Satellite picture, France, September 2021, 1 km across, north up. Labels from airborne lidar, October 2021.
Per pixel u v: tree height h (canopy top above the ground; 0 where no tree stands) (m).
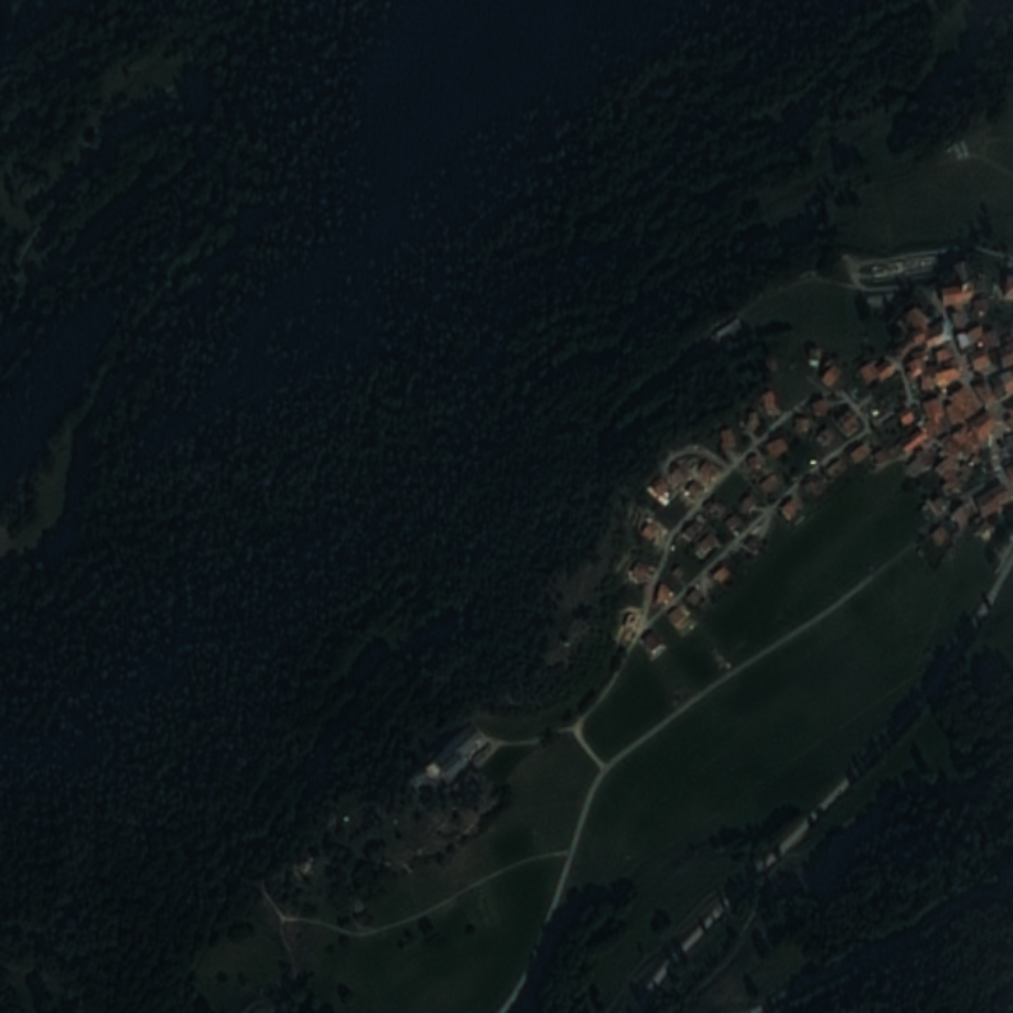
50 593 24
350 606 26
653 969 0
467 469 18
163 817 30
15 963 24
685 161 16
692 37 23
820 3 15
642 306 20
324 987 0
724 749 0
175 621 18
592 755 0
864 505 0
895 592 0
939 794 0
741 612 0
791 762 0
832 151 0
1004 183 0
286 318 27
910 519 0
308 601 29
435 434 11
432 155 19
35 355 18
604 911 19
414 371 28
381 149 30
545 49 15
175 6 23
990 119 12
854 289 0
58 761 25
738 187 24
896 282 0
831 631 0
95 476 28
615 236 18
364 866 8
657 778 0
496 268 23
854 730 0
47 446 14
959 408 0
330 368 27
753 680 0
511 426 21
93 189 16
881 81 14
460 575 23
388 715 19
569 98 22
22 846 30
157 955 21
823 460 0
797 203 0
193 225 27
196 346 34
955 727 23
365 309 26
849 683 0
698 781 0
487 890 0
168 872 23
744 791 0
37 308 13
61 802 27
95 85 30
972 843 31
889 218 0
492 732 0
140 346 19
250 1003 0
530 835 0
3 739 19
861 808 0
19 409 20
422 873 0
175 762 28
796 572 0
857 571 0
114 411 29
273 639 20
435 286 19
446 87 28
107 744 28
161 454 24
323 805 20
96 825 23
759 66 16
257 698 26
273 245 22
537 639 9
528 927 0
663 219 21
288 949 0
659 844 0
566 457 18
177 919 21
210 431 24
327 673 23
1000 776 24
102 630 30
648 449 15
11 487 11
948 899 12
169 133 23
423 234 19
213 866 21
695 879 0
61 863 27
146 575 24
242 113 23
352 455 30
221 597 27
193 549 22
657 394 17
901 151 15
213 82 22
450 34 20
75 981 23
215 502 30
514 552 16
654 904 0
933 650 0
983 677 0
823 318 0
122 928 26
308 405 25
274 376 20
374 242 16
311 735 13
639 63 17
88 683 27
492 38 28
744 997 0
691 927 0
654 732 0
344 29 16
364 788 14
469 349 22
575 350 19
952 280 11
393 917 0
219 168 14
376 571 27
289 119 26
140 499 16
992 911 25
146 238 19
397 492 24
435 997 0
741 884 0
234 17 18
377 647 0
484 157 22
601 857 0
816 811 0
